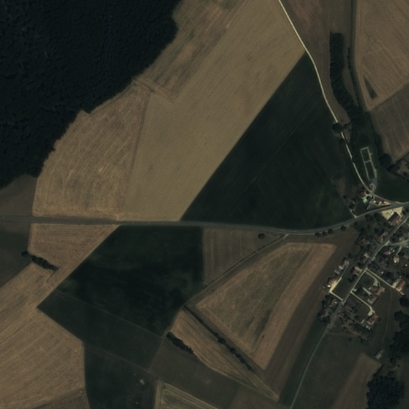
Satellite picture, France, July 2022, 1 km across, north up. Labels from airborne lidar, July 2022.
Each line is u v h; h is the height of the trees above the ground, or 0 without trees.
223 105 0
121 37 21
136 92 0
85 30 18
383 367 6
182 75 0
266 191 0
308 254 0
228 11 0
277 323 0
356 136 12
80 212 0
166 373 0
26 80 26
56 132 27
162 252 0
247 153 0
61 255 0
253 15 0
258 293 0
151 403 0
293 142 0
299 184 0
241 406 0
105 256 0
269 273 0
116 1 21
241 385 0
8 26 26
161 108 0
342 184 0
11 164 28
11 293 0
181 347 14
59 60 25
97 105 14
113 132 0
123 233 0
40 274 0
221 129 0
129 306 0
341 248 0
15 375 0
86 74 20
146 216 0
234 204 0
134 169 0
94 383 0
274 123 0
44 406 0
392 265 0
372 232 0
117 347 0
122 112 0
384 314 0
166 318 0
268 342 0
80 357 0
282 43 0
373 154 0
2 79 30
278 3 0
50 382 0
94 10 19
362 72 0
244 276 0
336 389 0
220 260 0
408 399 0
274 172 0
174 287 0
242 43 0
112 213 0
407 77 0
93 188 0
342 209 0
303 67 0
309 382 0
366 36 0
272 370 0
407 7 0
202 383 0
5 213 0
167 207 0
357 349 0
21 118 24
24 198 0
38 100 24
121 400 0
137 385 0
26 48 23
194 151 0
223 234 0
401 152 0
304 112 0
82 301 0
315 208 0
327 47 0
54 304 0
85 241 0
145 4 19
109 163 0
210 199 0
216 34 0
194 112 0
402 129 0
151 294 0
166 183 0
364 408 0
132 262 0
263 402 0
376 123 0
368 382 0
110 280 0
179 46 0
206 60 0
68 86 25
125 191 0
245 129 0
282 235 0
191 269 0
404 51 0
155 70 0
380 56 0
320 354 0
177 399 0
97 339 0
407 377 0
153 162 0
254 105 0
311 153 0
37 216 0
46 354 0
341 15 0
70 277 0
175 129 0
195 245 0
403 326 17
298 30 0
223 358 0
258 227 0
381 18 0
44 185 0
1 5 24
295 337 0
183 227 0
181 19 0
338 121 0
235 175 0
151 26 29
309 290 0
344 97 19
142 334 0
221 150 0
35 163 24
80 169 0
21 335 0
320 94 0
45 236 0
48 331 0
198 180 0
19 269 0
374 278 0
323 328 0
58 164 0
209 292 0
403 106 0
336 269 0
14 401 0
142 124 0
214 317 0
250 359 0
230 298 0
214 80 0
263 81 0
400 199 0
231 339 0
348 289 0
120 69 19
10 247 0
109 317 0
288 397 0
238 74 0
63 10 19
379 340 0
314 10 0
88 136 0
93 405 0
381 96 0
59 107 24
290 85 0
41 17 20
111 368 0
